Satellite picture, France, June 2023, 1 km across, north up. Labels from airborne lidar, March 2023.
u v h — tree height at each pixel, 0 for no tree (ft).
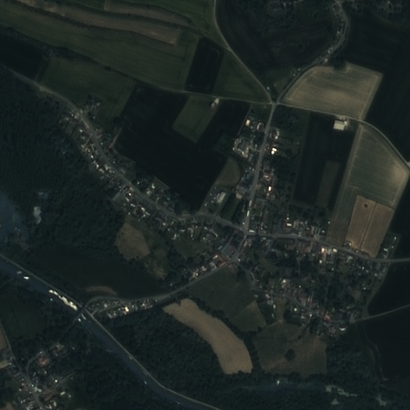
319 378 28
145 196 0
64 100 0
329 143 0
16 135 88
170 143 0
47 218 74
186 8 0
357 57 0
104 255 18
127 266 0
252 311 0
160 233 28
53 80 0
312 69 0
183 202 60
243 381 39
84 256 0
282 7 45
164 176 0
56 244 0
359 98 0
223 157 0
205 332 0
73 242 26
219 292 0
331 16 0
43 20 0
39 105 84
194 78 0
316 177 0
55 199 65
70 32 0
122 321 55
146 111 0
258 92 0
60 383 0
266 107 0
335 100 0
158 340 21
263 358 0
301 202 0
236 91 0
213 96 0
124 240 0
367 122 0
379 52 0
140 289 0
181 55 0
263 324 0
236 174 0
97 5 0
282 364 0
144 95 0
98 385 34
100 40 0
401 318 0
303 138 0
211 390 59
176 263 52
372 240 0
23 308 0
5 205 0
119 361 37
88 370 58
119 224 20
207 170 0
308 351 0
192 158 0
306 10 25
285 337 0
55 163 88
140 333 57
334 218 0
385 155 0
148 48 0
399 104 0
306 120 0
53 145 72
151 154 0
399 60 0
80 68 0
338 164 0
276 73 0
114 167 0
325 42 0
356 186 0
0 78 73
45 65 0
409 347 0
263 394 31
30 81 0
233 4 0
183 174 0
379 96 0
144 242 0
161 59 0
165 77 0
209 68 0
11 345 28
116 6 0
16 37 20
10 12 0
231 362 0
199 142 0
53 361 28
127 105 0
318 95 0
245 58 0
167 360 48
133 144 0
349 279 19
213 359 36
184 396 0
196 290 0
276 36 0
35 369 41
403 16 49
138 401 22
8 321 0
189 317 0
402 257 0
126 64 0
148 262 0
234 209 0
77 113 0
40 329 0
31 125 83
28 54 0
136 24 0
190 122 0
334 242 0
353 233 0
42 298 51
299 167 0
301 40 0
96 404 49
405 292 0
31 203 87
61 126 18
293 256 24
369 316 0
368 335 0
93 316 0
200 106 0
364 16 0
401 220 0
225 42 0
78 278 0
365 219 0
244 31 0
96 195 0
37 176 96
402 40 0
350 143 0
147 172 48
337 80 0
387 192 0
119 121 59
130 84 0
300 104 0
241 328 0
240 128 0
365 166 0
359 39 0
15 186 96
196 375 23
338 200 0
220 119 0
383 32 0
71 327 57
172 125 0
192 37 0
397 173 0
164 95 0
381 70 0
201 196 0
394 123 0
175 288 19
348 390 26
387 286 0
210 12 0
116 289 0
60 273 0
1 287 41
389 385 0
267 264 0
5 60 0
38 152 97
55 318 96
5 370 42
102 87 0
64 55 42
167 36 0
